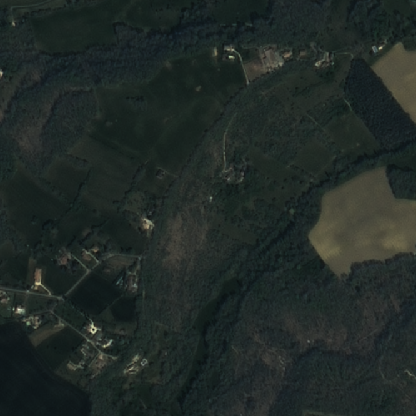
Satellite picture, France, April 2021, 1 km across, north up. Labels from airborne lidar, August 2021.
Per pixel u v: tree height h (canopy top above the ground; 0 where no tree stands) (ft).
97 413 68
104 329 22
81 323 0
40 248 36
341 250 0
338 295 77
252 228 21
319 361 58
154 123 0
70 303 66
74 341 0
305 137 18
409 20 37
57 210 0
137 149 0
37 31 0
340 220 0
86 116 57
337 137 0
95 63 34
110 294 0
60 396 0
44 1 0
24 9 0
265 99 31
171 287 20
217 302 0
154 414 55
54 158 37
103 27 0
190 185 18
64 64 48
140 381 30
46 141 30
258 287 75
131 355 55
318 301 67
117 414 68
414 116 0
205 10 47
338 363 52
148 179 0
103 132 0
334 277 66
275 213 47
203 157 22
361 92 57
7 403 0
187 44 70
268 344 22
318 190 52
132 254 47
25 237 0
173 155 0
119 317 0
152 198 31
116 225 0
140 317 51
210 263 18
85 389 19
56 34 0
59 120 46
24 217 0
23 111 29
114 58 40
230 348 76
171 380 45
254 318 63
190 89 0
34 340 0
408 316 31
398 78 0
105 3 0
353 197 0
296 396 34
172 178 0
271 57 0
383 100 42
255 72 0
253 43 29
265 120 21
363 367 31
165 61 43
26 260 0
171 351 63
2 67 34
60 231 0
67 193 0
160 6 0
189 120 0
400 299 19
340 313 59
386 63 0
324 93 0
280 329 29
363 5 80
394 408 51
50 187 22
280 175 0
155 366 55
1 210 45
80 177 0
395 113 61
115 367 60
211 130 34
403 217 0
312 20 70
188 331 43
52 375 0
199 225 26
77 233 0
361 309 27
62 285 0
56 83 41
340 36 0
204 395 70
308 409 48
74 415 0
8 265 0
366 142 0
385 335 26
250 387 29
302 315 59
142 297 56
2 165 80
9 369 0
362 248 0
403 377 47
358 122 0
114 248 54
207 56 0
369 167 62
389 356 38
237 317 33
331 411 53
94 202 0
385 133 61
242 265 61
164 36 87
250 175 87
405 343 38
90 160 0
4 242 41
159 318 56
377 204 0
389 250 0
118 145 0
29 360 0
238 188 42
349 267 0
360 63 46
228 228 0
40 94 50
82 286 0
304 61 25
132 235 0
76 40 0
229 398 54
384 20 75
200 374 45
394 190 62
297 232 84
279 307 61
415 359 45
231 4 0
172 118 0
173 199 57
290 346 22
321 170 0
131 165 0
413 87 0
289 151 29
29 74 33
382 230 0
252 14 0
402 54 0
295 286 67
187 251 20
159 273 60
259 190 20
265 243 54
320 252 0
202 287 40
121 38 46
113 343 25
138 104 47
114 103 0
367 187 0
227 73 0
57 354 0
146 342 68
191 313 53
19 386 0
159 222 38
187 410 75
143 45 78
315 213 74
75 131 62
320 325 22
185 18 31
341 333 22
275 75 35
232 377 23
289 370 25
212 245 21
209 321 0
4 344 0
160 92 0
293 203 24
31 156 18
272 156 29
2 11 60
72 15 0
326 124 23
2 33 51
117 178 0
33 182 0
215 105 0
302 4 74
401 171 60
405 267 57
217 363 42
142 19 0
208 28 78
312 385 43
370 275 45
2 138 52
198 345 85
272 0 33
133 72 73
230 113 58
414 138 24
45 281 0
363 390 59
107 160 0
